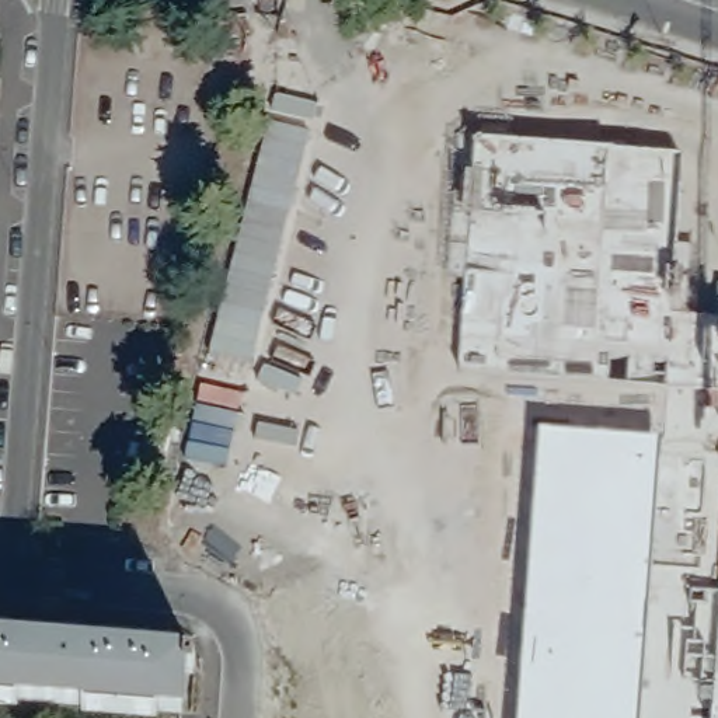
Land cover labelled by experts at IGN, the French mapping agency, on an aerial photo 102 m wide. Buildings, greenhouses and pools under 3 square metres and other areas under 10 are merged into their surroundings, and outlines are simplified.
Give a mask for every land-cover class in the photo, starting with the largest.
<instances>
[{"label":"pervious surface","instance_id":"1","mask_svg":"<svg viewBox=\"0 0 718 718\"><path fill-rule=\"evenodd\" d=\"M499 3L510 6L502 28H485L468 11L454 17L429 14H424L421 20L404 17L395 22H381L379 31L365 34V48L370 50L367 62L353 59V73L331 84L314 62L311 48L297 39V28H286L283 17L247 14V53L250 76L255 84H269L272 104L266 107V112H275L269 126L264 143L252 191L244 208V222L236 241V255L230 264L227 292L219 306V317L210 353L202 365L205 379L199 395L202 401L194 415L188 463H180L177 491L168 494L165 510L160 516V530L168 536V550L177 558L182 589L216 595L244 617L252 645L255 718H516L536 443L541 424L628 429L651 432L656 438L648 522V567H679L684 575H712L718 547V407L704 409L698 404H690L679 393L668 395L665 384H637L625 379H611L600 356L589 362L592 373H567V362L561 356H550L547 367L541 370H516L510 367V362L494 370L485 362H460L457 353L466 289L457 272L466 261L474 258L466 236H452V222L457 202L463 199V177L474 157L477 132L668 149L670 157L682 154L676 224L682 230V244H676L673 252L676 264L668 266L659 278L670 297V309L665 317L673 320L676 328L693 311L710 314L712 320L718 317V62L696 53H682L665 42L639 39L631 31L589 25L583 17L575 14L547 11L533 0H499Z\"/></svg>","mask_w":718,"mask_h":718},{"label":"impervious surface","instance_id":"2","mask_svg":"<svg viewBox=\"0 0 718 718\"><path fill-rule=\"evenodd\" d=\"M230 11L236 14V48L224 50V62H216L210 70L205 62L177 59L174 48L165 42V34L157 25H140L137 31L143 42L126 50L93 48L79 28V20H87L93 0H0V617L185 634L188 653H196V665L205 668V710L202 715L182 712H165L168 718H255L252 645L244 617L216 595L182 589L177 558L168 550H143L135 527L126 524L109 527L115 482L137 463L149 466L163 460L157 443L151 440V435H146V426L137 415V395H151L154 384L180 381L182 376L174 365V353L168 339L157 328H140V320L160 317V300L154 297V289L146 278V261L149 252H154L157 258H171L188 241V236L180 230V222L168 219V202L202 196L208 185H222L227 180V171L219 165V154L216 143H208L213 137V129L205 109H210L213 98L227 95L230 90L255 84L250 76L247 53V14L283 17L286 28H297V39L311 48L314 62L331 84L353 73V59L367 62L370 50L365 48V34L342 39L334 6L323 0H230ZM432 6L429 14L454 17L468 11L482 3H499V0H426ZM547 11L575 14L583 17L589 25L631 31L639 39L665 42L682 53H696L718 62V0H533Z\"/></svg>","mask_w":718,"mask_h":718},{"label":"building","instance_id":"3","mask_svg":"<svg viewBox=\"0 0 718 718\"><path fill-rule=\"evenodd\" d=\"M682 154L670 157L668 149L477 132L474 157L463 177V199L457 202L452 222V236H466L474 258L466 261L457 272L466 289L457 353L460 362H485L494 370L510 362V367L516 370H541L547 367L550 356H561L567 362V373H592L589 362L600 356L611 379H625L637 384H665L668 395L679 393L690 404H698L704 409L718 407V317L712 320L710 314L693 311L676 328L673 320L665 317L670 309V297L659 278L668 266L676 264L673 252L676 244H682V230L676 224ZM656 438L651 432L628 429L541 424L536 443L516 718H718V547L712 575H684L679 567H648V522ZM196 665V653H188L185 634L0 617V718H36L39 707L34 701L81 707L87 712H182L188 676Z\"/></svg>","mask_w":718,"mask_h":718},{"label":"deciduous trees","instance_id":"4","mask_svg":"<svg viewBox=\"0 0 718 718\"><path fill-rule=\"evenodd\" d=\"M230 0H93L87 20H79V28L93 48L126 50L143 42L137 31L140 25H157L165 34V42L174 48L177 59L205 62L210 70L216 62H224V50L236 48V14L230 11ZM334 6L342 39L365 34L379 31L381 22H395L404 17L421 20L424 14H429L432 6L426 0H323ZM510 6L499 3H482L468 11L485 28H502ZM255 84L230 90L227 95L213 98L210 109H205L213 129V137L208 143H216L219 154L224 157L227 151H238L250 160L255 143H264L269 126L255 112ZM168 219L180 222V230L188 236V241L171 258H157L154 252H149L146 261V278L154 289V297L160 300V317L140 320V328H157L168 339L174 353L188 345V325L199 311L219 317V306L227 292L230 264L236 255V241L244 222V208L241 191L233 188L227 180L222 185H208L202 196L168 202ZM194 376H182L180 381L154 384L151 395H137V415L146 426V435H151V440L157 443L168 435L177 415H194L202 401L199 395L191 393ZM163 460L149 466L137 463L115 482L109 527L126 524L123 513L135 510L137 496L149 499L163 491ZM39 707L36 718H168L165 712H87L81 707L34 701Z\"/></svg>","mask_w":718,"mask_h":718},{"label":"herbaceous vegetation","instance_id":"5","mask_svg":"<svg viewBox=\"0 0 718 718\"><path fill-rule=\"evenodd\" d=\"M255 112L269 126L275 112H266V107L272 104L269 84H255ZM264 143H255L250 160L238 151H227L224 157L219 154V165L227 171V180L233 188L241 191L244 208L252 191ZM219 317L199 311L188 325V345L174 353V365L182 376H194L191 393L199 395L205 379L202 365L210 353ZM194 415H177L168 435L157 443L163 460V491L149 499L137 496L135 510L123 513L126 524L135 527L143 550H168V536L160 530V516L165 510L168 494L177 491L180 463H188ZM205 710V668L196 665L188 676L182 712L202 715Z\"/></svg>","mask_w":718,"mask_h":718}]
</instances>
